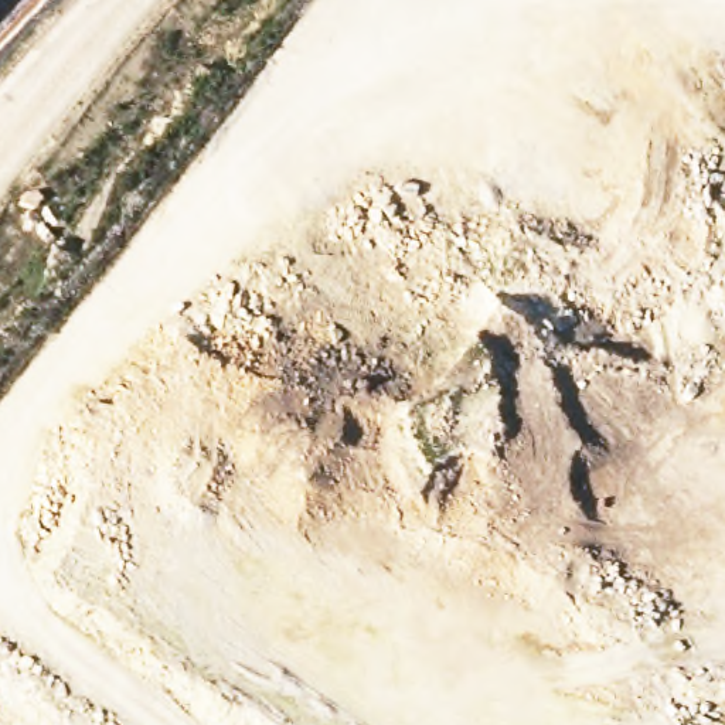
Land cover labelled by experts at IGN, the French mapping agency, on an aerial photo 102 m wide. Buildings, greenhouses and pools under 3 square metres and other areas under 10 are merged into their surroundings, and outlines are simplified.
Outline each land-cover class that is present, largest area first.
<instances>
[{"label":"pervious surface","instance_id":"1","mask_svg":"<svg viewBox=\"0 0 725 725\"><path fill-rule=\"evenodd\" d=\"M68 0H0V79L8 76L14 62L31 48L37 28L45 20L59 17L65 11ZM266 17L280 20L289 37L272 54L263 74L238 102L224 127L210 139L204 153L187 167V173L170 190V195L159 184L144 178L133 193L125 195L119 221L108 229L105 241L96 244L91 235L102 212L108 210L113 184L150 144H156L164 136L167 125H173L184 113V102L193 96L195 79L207 74L204 65L187 62L184 82L176 91L156 93L153 119L139 133L119 142L116 150H110L99 193L91 198L82 218L62 221L45 207V181L68 164H74L76 159H82L85 150L108 130V110L119 102H127L136 93L139 79L144 76V62L150 59V51L156 45V31H181L198 45H210L221 59H235L244 54L246 37L255 34ZM31 261L45 263L42 275H48V286L40 295L28 292L23 280V266ZM0 725H725V0H176L159 11L153 28L142 31L125 48V54L113 59V65L105 71L102 85L91 96H82L71 105V110L62 119V136L45 156V161L40 167L25 161L8 184L6 195L0 198Z\"/></svg>","mask_w":725,"mask_h":725},{"label":"herbaceous vegetation","instance_id":"2","mask_svg":"<svg viewBox=\"0 0 725 725\"><path fill-rule=\"evenodd\" d=\"M289 37L280 20L266 17L255 34L246 37L244 54L235 59H221L210 45H198L181 31H156V45L150 51V59L144 62V76L139 79L136 93L127 102H119L108 110V130L85 150L82 159H76L74 164H68L45 181V207L62 221L82 218L91 198L99 193L110 150H116L119 142L139 133L153 119L156 93L176 91L184 82L187 62L204 65L207 74L195 79L193 96L184 102V113L173 125H167L164 136L156 144H150L113 184L108 210L102 212L91 235L96 244L105 241L108 229L119 221L125 195L133 193L144 178L159 184L170 195V190L187 173V167L204 153L210 139L224 127L238 102L263 74L272 54ZM45 263L31 261L23 266V280L28 292L40 295L48 286V275H42Z\"/></svg>","mask_w":725,"mask_h":725},{"label":"impervious surface","instance_id":"3","mask_svg":"<svg viewBox=\"0 0 725 725\"><path fill-rule=\"evenodd\" d=\"M176 0H68L65 11L59 17L45 20L37 28L31 48L14 62L8 76L0 79V198L6 195L8 184L25 161L40 167L45 161V156L62 136V119L71 110V105L82 96H91L102 85L105 71L113 65V59L125 54V48L142 31L153 28L159 11Z\"/></svg>","mask_w":725,"mask_h":725}]
</instances>
